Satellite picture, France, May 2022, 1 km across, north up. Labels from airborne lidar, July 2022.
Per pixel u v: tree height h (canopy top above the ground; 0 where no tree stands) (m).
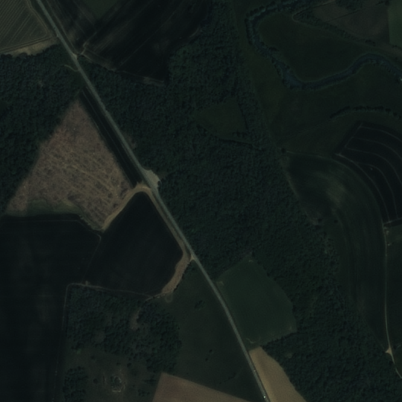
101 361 0
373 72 0
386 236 0
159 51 0
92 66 7
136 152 8
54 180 0
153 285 0
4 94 20
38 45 0
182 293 0
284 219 22
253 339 0
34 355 0
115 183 0
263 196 21
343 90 0
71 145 0
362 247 0
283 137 0
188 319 0
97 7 0
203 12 0
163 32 0
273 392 0
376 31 0
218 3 12
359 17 0
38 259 0
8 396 0
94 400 0
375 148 0
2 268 0
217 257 26
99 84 18
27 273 0
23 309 0
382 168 0
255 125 23
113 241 0
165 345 10
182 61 9
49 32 0
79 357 0
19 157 29
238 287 0
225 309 0
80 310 18
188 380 0
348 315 11
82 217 0
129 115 24
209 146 16
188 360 0
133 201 0
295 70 0
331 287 16
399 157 0
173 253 0
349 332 13
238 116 0
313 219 0
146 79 0
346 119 0
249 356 0
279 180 17
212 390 0
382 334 0
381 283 0
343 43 0
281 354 10
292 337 15
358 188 0
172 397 0
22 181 24
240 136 18
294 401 0
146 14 0
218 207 28
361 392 13
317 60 0
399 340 0
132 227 0
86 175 0
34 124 23
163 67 0
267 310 0
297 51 0
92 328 14
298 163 0
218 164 26
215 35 21
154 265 0
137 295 0
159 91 21
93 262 0
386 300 0
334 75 0
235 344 0
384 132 0
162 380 0
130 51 0
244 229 28
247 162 16
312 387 24
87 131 0
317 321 15
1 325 0
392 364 14
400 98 0
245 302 0
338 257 8
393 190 0
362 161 0
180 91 21
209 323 0
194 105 25
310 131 0
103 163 0
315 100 0
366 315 0
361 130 0
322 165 0
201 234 21
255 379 0
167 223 0
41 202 0
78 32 0
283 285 7
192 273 9
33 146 28
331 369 26
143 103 23
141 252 0
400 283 0
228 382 0
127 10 0
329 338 23
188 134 20
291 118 0
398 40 0
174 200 17
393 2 0
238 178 21
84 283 0
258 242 22
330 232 0
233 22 12
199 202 24
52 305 0
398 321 0
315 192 0
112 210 0
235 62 15
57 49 14
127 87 18
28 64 15
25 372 0
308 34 0
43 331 0
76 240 0
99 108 0
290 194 16
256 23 18
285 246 15
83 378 11
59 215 0
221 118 0
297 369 18
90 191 0
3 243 0
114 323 7
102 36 0
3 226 0
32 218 0
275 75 0
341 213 0
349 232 0
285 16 0
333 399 12
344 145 0
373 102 0
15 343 0
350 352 12
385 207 0
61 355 0
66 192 0
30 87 15
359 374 21
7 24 0
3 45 0
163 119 25
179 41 0
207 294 0
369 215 0
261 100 0
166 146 16
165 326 11
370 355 23
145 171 0
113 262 0
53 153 0
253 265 0
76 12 0
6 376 0
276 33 0
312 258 7
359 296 0
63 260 0
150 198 0
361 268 0
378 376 8
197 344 0
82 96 0
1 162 22
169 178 11
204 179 22
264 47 12
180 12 0
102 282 0
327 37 0
